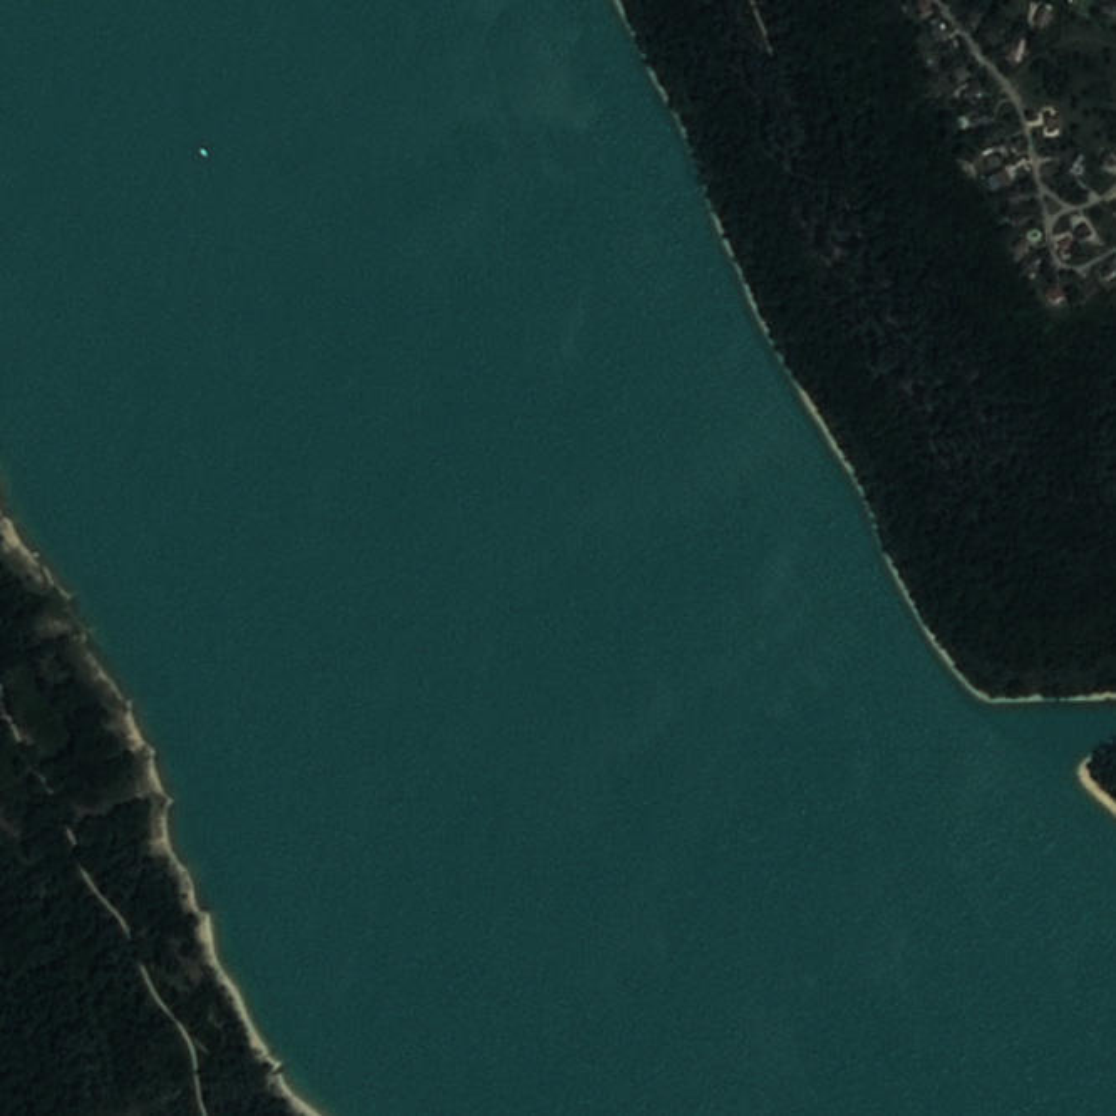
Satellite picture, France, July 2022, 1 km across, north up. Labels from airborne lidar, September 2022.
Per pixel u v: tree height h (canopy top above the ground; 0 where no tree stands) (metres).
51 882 17
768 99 21
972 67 9
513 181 0
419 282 0
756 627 0
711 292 0
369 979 0
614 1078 0
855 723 0
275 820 0
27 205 0
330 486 0
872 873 0
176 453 0
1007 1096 0
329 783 0
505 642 0
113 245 0
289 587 0
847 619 0
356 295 0
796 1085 0
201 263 0
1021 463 20
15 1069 18
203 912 0
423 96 0
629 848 0
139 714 0
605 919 0
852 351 18
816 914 0
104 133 0
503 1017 0
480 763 0
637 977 0
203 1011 6
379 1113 0
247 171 0
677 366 0
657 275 0
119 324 0
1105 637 14
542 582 0
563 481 0
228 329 0
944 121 16
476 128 0
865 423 9
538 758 0
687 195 0
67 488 0
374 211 0
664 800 0
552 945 0
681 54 10
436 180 0
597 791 0
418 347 0
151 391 0
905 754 0
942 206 13
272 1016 0
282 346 0
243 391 0
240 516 0
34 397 0
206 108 0
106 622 0
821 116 18
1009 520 21
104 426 0
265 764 0
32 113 0
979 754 0
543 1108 0
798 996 0
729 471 0
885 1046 0
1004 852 0
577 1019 0
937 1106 0
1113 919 0
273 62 0
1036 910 0
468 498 0
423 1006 0
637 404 0
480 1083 0
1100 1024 0
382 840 0
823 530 0
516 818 0
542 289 0
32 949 28
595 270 0
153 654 0
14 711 20
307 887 0
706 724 0
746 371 0
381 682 0
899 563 8
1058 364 10
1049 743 0
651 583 0
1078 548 16
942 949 0
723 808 0
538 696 0
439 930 0
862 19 13
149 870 19
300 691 0
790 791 0
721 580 0
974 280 16
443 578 0
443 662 0
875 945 0
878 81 13
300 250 0
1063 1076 0
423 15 0
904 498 15
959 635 10
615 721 0
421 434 0
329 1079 0
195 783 0
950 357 20
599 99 0
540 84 0
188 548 0
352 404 0
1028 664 7
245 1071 9
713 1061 0
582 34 0
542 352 0
